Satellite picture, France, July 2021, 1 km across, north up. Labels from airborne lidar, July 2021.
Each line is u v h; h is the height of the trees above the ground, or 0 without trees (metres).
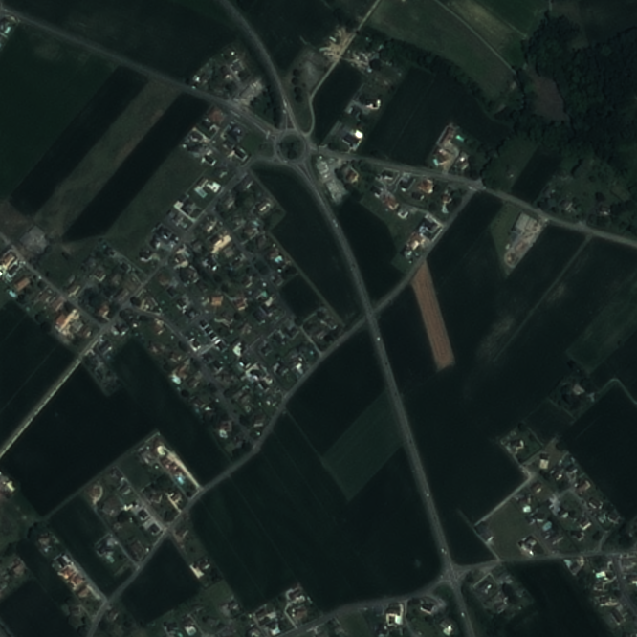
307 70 0
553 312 0
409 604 8
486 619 8
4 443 0
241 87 0
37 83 0
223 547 0
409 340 0
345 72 0
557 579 0
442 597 0
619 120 23
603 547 0
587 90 19
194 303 0
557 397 14
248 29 0
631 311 0
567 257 0
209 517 0
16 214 0
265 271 10
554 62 26
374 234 0
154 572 0
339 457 0
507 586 13
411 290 0
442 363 0
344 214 0
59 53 0
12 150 0
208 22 0
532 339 0
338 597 0
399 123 0
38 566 0
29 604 0
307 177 0
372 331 0
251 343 0
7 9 0
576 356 0
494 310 0
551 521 11
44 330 13
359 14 0
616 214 15
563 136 31
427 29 0
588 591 6
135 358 0
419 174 0
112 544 0
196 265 7
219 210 7
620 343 8
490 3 0
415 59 16
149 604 0
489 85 0
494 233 0
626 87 21
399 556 0
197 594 0
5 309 0
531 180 0
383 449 0
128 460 0
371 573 0
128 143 0
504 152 16
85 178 0
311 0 0
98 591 0
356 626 0
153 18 0
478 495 0
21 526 0
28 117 0
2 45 0
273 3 0
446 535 0
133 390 0
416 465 0
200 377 0
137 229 0
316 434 0
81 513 0
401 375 0
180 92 0
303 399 0
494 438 0
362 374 0
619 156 9
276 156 0
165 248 0
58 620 0
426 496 0
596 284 0
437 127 0
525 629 0
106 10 0
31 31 0
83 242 0
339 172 13
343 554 0
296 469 0
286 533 0
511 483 0
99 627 8
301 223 0
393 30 0
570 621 0
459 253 0
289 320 0
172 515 8
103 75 0
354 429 0
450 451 0
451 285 0
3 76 0
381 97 6
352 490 0
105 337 0
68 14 0
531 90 25
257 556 0
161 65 0
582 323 0
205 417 8
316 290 0
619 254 0
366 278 0
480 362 0
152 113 0
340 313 0
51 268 0
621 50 18
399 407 0
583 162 21
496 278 0
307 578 0
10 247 0
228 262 6
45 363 0
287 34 0
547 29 21
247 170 0
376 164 0
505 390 0
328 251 0
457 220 0
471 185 0
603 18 0
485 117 0
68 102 0
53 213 0
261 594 0
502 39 0
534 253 0
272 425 0
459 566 0
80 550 0
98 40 0
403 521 0
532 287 0
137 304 14
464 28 0
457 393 0
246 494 0
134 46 0
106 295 9
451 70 19
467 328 0
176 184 0
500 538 0
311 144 0
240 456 12
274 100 15
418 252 0
